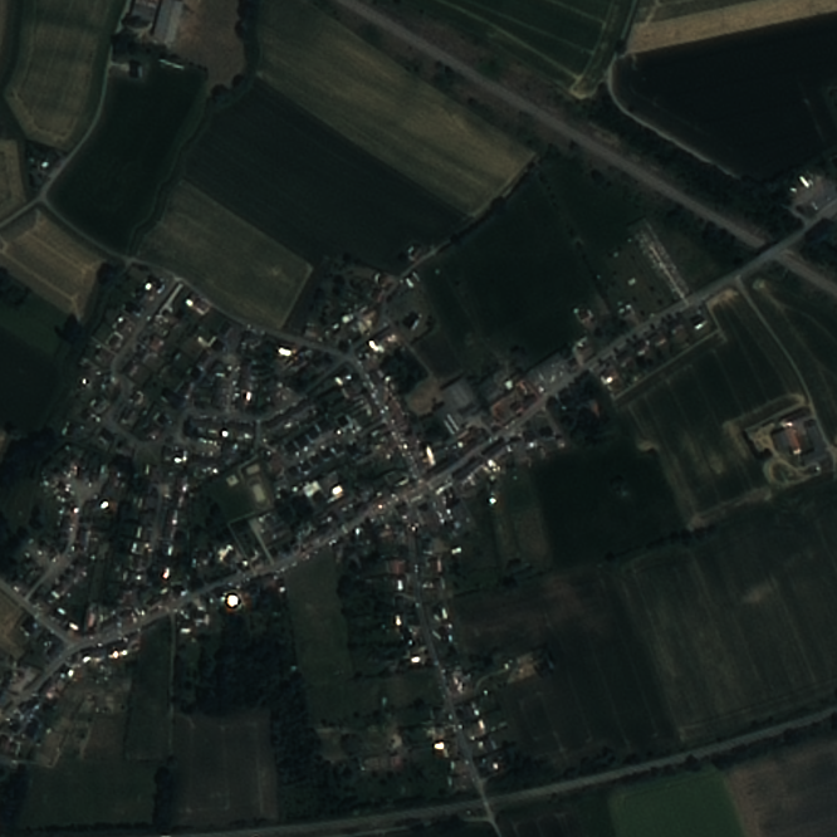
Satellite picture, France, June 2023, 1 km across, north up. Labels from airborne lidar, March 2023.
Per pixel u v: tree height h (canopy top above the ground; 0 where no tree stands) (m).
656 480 0
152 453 0
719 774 0
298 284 0
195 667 0
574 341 0
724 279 0
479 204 0
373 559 13
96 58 0
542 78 0
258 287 0
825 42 0
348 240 0
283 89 0
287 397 0
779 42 0
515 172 0
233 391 0
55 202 0
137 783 0
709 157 0
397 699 0
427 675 0
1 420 0
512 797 0
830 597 0
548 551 0
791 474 0
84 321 0
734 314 0
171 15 0
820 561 0
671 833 0
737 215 0
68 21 0
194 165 0
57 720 0
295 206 0
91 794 0
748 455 0
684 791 0
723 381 0
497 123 0
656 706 0
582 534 0
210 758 0
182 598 0
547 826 0
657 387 0
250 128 0
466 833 0
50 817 0
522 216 0
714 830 0
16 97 0
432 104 0
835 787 0
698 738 0
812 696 0
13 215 0
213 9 0
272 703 14
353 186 0
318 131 0
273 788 0
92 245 0
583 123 0
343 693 0
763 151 0
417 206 0
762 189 9
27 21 0
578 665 0
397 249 0
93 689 0
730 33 0
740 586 0
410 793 0
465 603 0
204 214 0
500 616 0
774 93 0
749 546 0
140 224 0
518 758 11
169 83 0
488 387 0
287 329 0
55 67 0
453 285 0
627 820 0
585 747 0
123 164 0
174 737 0
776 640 0
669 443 0
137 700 0
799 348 0
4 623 0
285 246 0
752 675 0
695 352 0
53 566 0
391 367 10
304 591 0
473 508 0
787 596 0
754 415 0
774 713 0
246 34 19
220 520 10
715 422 0
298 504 16
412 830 9
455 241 11
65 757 0
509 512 0
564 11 0
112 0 0
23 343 0
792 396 0
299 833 0
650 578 0
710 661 0
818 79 0
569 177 0
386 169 0
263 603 14
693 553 0
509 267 0
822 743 0
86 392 0
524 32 0
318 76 0
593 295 0
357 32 0
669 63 0
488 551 0
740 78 0
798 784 0
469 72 0
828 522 0
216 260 0
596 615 0
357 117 0
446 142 0
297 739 7
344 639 0
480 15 0
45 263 0
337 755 0
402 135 0
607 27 0
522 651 0
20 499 0
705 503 0
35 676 0
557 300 0
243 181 0
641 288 0
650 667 0
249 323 0
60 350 0
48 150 7
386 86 0
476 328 0
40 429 0
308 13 0
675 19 0
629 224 0
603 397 0
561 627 0
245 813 0
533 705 0
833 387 0
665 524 0
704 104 0
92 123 0
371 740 0
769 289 0
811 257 7
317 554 0
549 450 0
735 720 0
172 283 0
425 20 0
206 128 0
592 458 0
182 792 0
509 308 0
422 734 0
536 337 0
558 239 0
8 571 10
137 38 0
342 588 14
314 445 0
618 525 0
